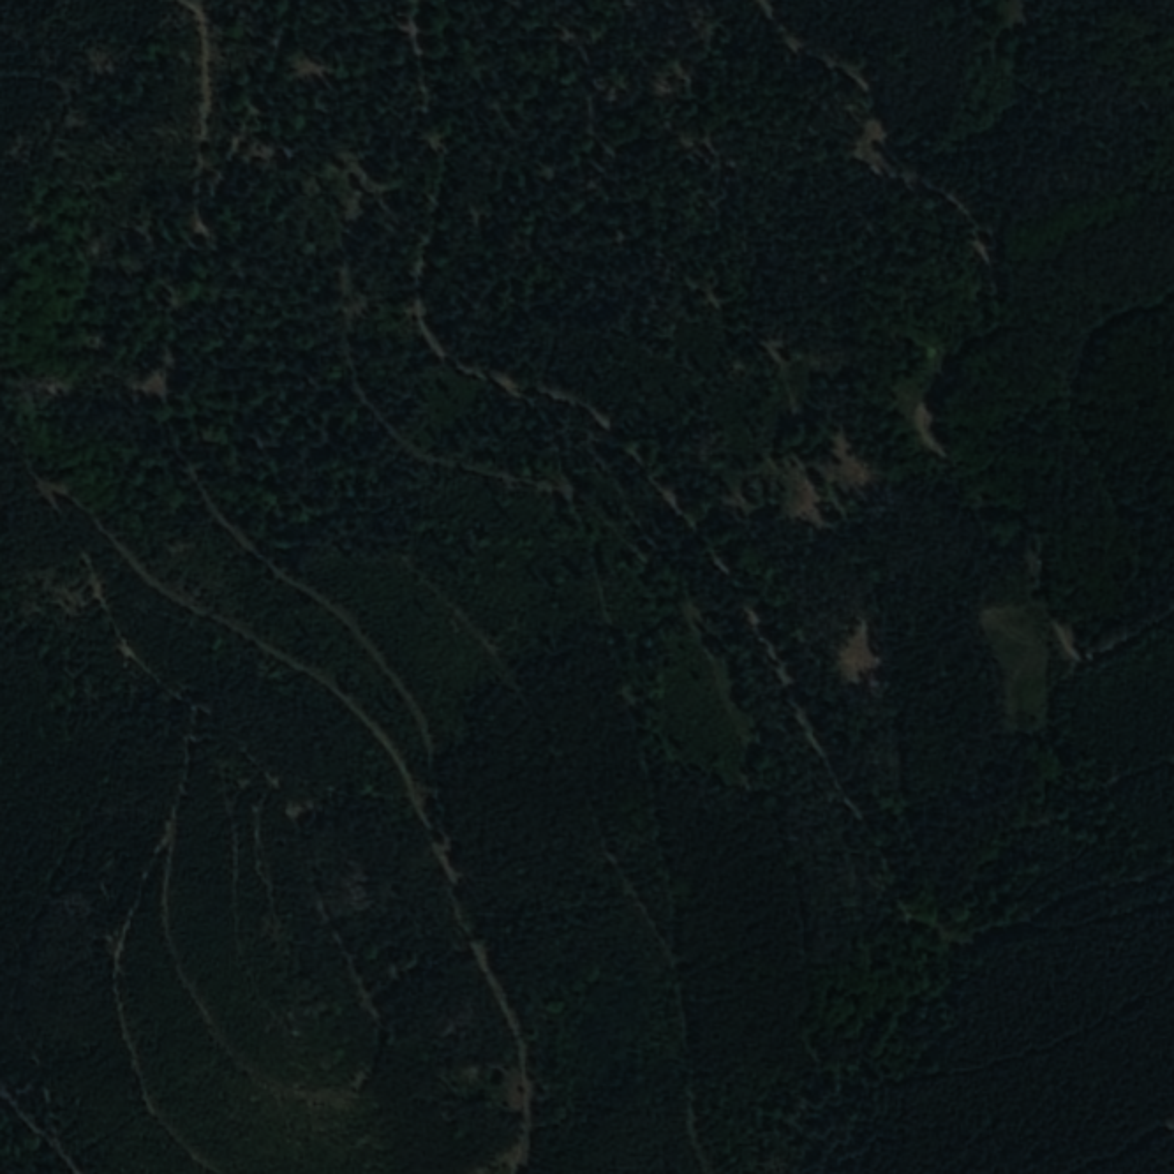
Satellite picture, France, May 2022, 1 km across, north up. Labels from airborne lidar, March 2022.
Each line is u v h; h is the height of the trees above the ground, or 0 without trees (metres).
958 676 24
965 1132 15
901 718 22
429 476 9
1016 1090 20
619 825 17
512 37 8
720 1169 8
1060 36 27
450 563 6
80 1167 23
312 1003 9
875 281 28
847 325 34
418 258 8
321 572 6
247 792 7
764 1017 19
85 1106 7
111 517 14
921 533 23
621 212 29
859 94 26
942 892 34
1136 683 9
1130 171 27
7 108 11
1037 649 0
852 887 26
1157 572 22
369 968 13
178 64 6
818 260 27
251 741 14
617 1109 15
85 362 7
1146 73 27
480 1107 14
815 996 23
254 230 17
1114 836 13
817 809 27
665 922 19
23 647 12
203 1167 7
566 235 33
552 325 36
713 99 28
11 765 18
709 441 36
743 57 31
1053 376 27
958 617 33
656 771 24
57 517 13
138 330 23
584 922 20
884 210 29
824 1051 27
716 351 6
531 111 33
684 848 23
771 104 26
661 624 19
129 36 9
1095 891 18
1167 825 14
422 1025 16
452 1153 11
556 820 22
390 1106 11
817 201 26
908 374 22
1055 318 24
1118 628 25
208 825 7
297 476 35
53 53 9
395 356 14
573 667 20
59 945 20
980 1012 21
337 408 19
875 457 26
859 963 27
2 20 16
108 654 6
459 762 14
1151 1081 20
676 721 7
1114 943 17
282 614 6
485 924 22
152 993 7
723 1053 18
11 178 8
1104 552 22
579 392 16
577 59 10
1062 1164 20
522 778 19
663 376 7
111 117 17
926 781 20
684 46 37
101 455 20
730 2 28
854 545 25
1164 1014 16
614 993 7
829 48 31
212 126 7
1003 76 23
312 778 11
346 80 30
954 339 20
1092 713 11
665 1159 12
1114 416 21
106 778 11
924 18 24
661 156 32
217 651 9
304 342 21
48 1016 20
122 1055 10
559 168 24
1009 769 29
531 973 13
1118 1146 18
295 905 16
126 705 14
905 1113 19
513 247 34
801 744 27
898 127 33
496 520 7
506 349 19
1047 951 19
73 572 5
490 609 6
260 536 8
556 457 8
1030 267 27
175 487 21
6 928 19
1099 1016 20
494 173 14
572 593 7
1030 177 30
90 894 15
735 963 17
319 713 12
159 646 9
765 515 31
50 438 20
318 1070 6
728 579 15
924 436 0
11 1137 22
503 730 18
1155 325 19
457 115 32
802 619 28
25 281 23
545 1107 11
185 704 12
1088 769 11
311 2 26
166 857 6
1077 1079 18
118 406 15
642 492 29
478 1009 20
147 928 6
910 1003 12
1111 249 29
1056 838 8
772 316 29
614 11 37
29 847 15
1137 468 18
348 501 28
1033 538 16
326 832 17
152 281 19
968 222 24
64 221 22
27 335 21
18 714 14
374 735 7
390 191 9
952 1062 18
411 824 15
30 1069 17
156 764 12
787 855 24
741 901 19
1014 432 24
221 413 24
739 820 19
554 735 19
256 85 14
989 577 25
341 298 36
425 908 19
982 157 28
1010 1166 17
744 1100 11
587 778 21
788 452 12
